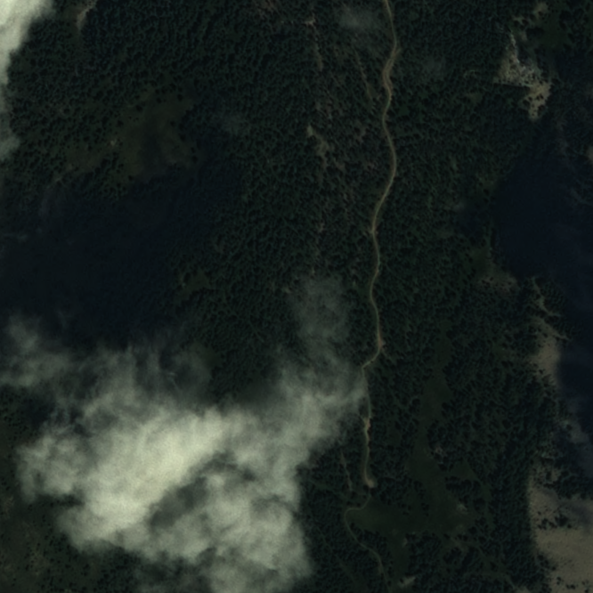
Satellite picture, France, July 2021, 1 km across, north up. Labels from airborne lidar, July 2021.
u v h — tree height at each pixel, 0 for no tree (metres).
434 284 23
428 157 19
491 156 25
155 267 20
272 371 18
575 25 20
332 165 21
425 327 18
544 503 0
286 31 14
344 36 21
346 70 20
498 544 19
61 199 0
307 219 24
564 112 16
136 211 0
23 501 0
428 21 12
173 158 0
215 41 20
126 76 17
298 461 0
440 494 0
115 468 20
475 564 23
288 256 13
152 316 22
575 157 16
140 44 17
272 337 18
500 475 19
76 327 9
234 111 20
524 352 13
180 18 21
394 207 18
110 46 16
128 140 0
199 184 21
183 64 19
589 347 14
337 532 17
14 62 12
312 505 16
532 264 21
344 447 19
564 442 11
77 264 0
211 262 18
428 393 0
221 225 21
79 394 0
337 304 23
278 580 11
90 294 15
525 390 22
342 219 25
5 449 0
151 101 0
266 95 13
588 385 8
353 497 7
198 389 17
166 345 14
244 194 23
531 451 18
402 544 0
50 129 10
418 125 18
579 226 12
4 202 0
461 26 17
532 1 25
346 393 16
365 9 18
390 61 0
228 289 20
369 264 18
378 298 18
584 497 11
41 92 7
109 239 17
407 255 25
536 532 0
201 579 8
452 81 14
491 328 21
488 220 15
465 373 21
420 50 14
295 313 15
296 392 22
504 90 19
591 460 0
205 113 17
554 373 0
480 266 0
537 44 0
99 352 0
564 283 10
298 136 23
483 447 16
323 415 21
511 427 17
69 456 11
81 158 0
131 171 0
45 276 0
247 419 13
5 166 11
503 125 17
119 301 17
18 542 0
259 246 16
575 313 7
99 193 17
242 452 19
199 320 18
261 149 18
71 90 8
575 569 0
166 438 10
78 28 0
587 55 25
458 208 0
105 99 17
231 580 0
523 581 16
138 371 0
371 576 17
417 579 7
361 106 25
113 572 9
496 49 17
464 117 16
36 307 12
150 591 6
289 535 7
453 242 20
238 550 17
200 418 15
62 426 15
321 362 19
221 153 15
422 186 18
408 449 18
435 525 0
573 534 0
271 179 16
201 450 6
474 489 19
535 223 23
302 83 23
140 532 9
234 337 21
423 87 10
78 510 7
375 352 19
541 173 14
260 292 19
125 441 8
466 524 0
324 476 21
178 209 18
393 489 20
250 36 13
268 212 22
